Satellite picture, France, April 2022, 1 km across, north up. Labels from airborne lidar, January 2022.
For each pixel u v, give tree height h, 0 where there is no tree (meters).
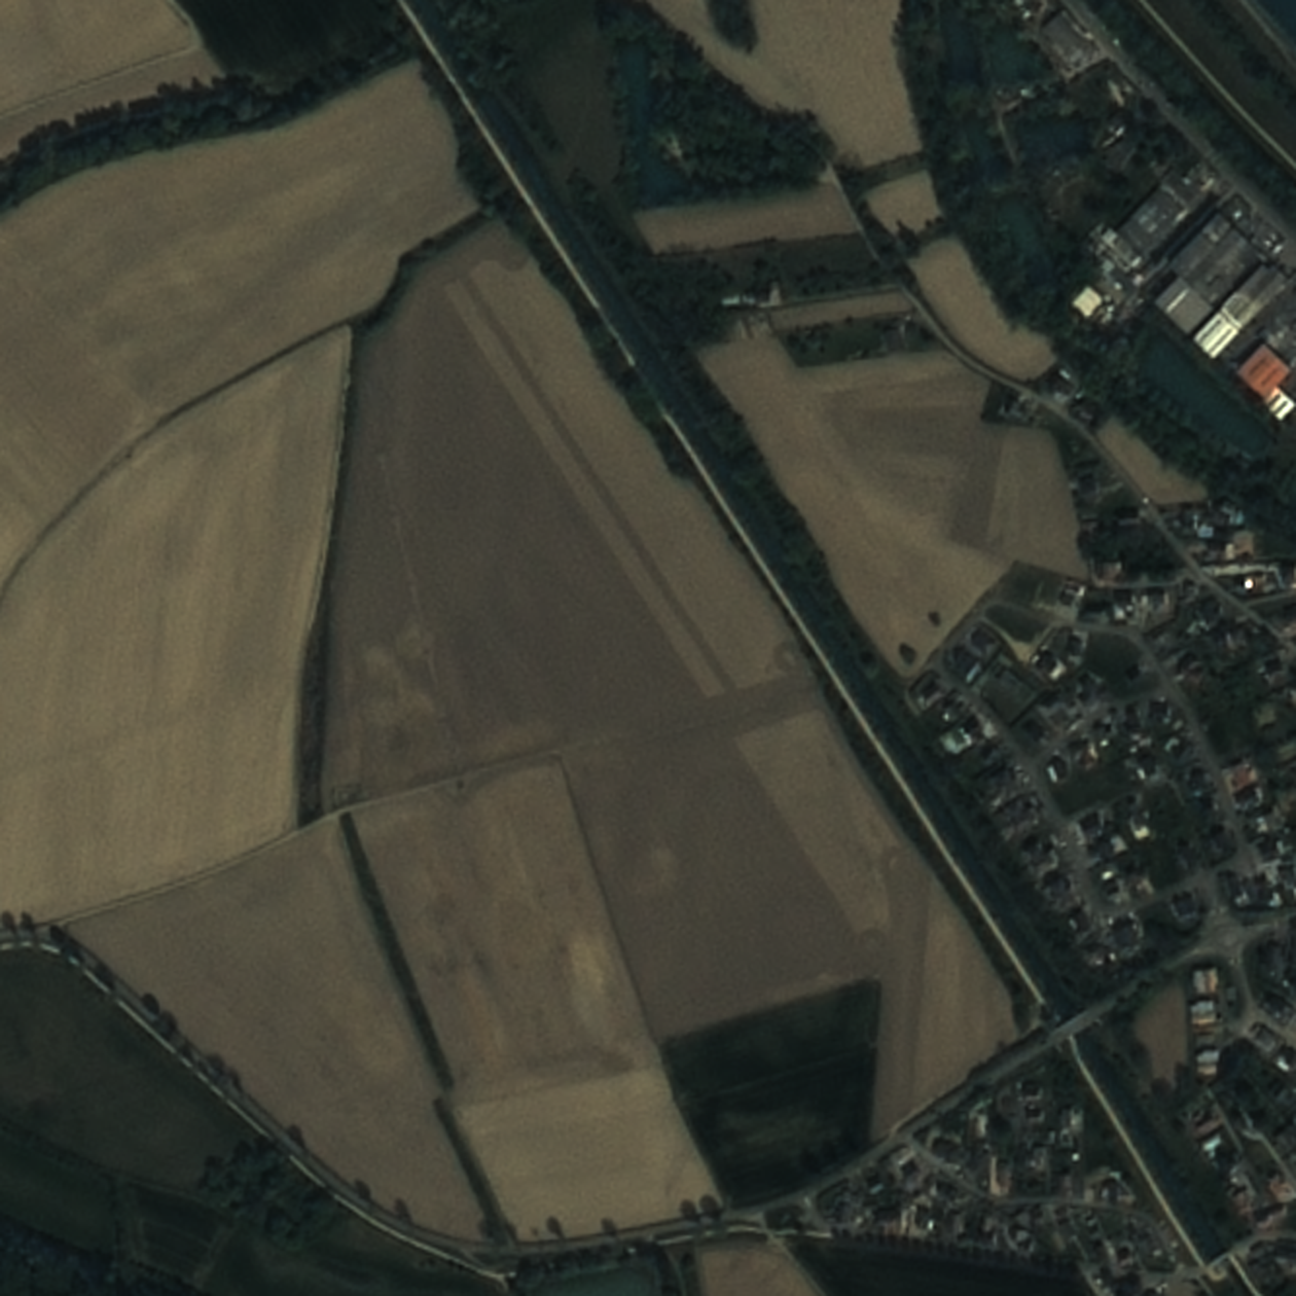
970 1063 0
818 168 23
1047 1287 0
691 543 0
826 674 6
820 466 0
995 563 0
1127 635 0
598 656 0
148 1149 0
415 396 0
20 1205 0
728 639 0
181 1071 0
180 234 0
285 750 0
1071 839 0
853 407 0
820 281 12
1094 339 22
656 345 0
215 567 0
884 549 0
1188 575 0
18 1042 0
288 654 0
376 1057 0
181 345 0
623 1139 0
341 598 0
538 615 0
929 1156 0
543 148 0
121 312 0
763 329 0
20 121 0
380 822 0
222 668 0
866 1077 0
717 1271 0
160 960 0
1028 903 20
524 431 0
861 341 0
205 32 0
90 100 0
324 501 0
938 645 0
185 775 0
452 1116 0
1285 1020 0
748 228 0
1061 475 0
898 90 0
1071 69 0
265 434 0
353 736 0
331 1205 18
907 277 15
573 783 0
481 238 0
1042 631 0
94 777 0
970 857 0
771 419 0
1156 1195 0
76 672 0
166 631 0
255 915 0
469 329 0
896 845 0
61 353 0
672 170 0
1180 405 11
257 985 0
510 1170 0
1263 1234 0
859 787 0
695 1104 0
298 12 0
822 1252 0
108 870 0
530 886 0
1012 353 0
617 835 0
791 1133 0
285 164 0
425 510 0
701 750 0
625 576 0
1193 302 0
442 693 0
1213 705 0
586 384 0
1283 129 0
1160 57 15
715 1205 0
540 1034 0
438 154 0
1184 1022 0
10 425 0
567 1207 0
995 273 21
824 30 0
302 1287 0
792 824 0
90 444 0
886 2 0
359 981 0
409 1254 0
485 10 26
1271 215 0
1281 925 0
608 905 0
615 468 0
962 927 0
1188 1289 0
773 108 0
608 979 0
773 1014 0
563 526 0
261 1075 0
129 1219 0
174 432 0
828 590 12
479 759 0
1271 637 11
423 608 0
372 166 0
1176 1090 11
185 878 0
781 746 0
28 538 0
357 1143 0
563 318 0
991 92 28
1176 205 0
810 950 0
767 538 0
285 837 0
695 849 0
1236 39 15
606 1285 0
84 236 0
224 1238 0
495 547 0
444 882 0
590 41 0
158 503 0
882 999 0
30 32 0
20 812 0
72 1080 0
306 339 0
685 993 0
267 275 0
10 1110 0
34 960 0
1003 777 0
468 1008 0
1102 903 0
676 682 0
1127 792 0
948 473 0
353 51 0
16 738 0
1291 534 22
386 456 0
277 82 0
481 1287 0
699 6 0
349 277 0
